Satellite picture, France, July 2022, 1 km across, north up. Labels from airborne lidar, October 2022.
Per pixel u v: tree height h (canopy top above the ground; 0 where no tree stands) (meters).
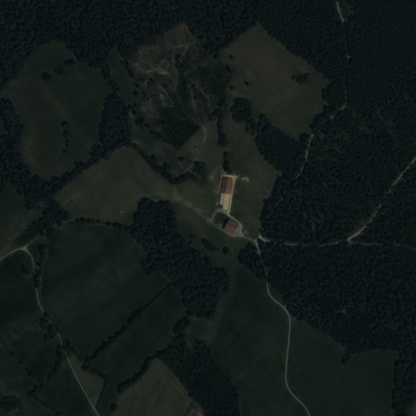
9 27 32
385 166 7
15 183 21
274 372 0
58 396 0
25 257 0
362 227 0
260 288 0
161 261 26
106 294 0
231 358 0
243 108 13
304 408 0
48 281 0
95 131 0
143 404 0
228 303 0
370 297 16
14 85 0
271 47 0
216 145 0
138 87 23
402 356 15
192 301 27
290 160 23
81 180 0
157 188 0
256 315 0
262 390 0
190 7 20
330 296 8
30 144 0
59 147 0
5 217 0
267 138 22
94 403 0
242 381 0
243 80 0
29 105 0
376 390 0
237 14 35
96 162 15
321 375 0
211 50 15
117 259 0
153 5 33
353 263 19
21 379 0
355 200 7
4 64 35
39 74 0
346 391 0
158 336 0
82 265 0
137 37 28
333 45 29
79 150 0
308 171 11
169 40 0
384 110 11
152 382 0
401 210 7
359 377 0
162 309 0
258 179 0
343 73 24
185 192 0
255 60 0
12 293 0
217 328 0
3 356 0
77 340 0
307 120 0
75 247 0
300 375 0
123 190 0
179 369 11
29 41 29
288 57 0
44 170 0
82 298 0
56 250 0
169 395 0
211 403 9
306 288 33
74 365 0
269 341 0
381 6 18
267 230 25
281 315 0
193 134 6
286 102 0
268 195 0
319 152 10
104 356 0
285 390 0
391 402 0
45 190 26
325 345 0
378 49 13
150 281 0
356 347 6
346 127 13
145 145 0
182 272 31
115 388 0
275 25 18
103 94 0
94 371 11
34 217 0
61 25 32
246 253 24
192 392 11
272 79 0
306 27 29
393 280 22
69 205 0
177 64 7
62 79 0
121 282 0
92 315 0
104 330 0
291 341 0
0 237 0
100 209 0
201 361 7
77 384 0
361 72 20
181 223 0
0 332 0
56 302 0
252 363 0
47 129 0
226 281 22
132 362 0
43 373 0
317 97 0
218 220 0
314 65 21
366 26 19
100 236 0
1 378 0
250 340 0
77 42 22
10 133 34
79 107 0
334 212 14
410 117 7
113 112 28
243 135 0
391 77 14
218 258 0
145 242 26
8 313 0
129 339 0
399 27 11
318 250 13
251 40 0
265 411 0
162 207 30
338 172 16
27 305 0
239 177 0
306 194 37
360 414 0
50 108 0
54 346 0
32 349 0
